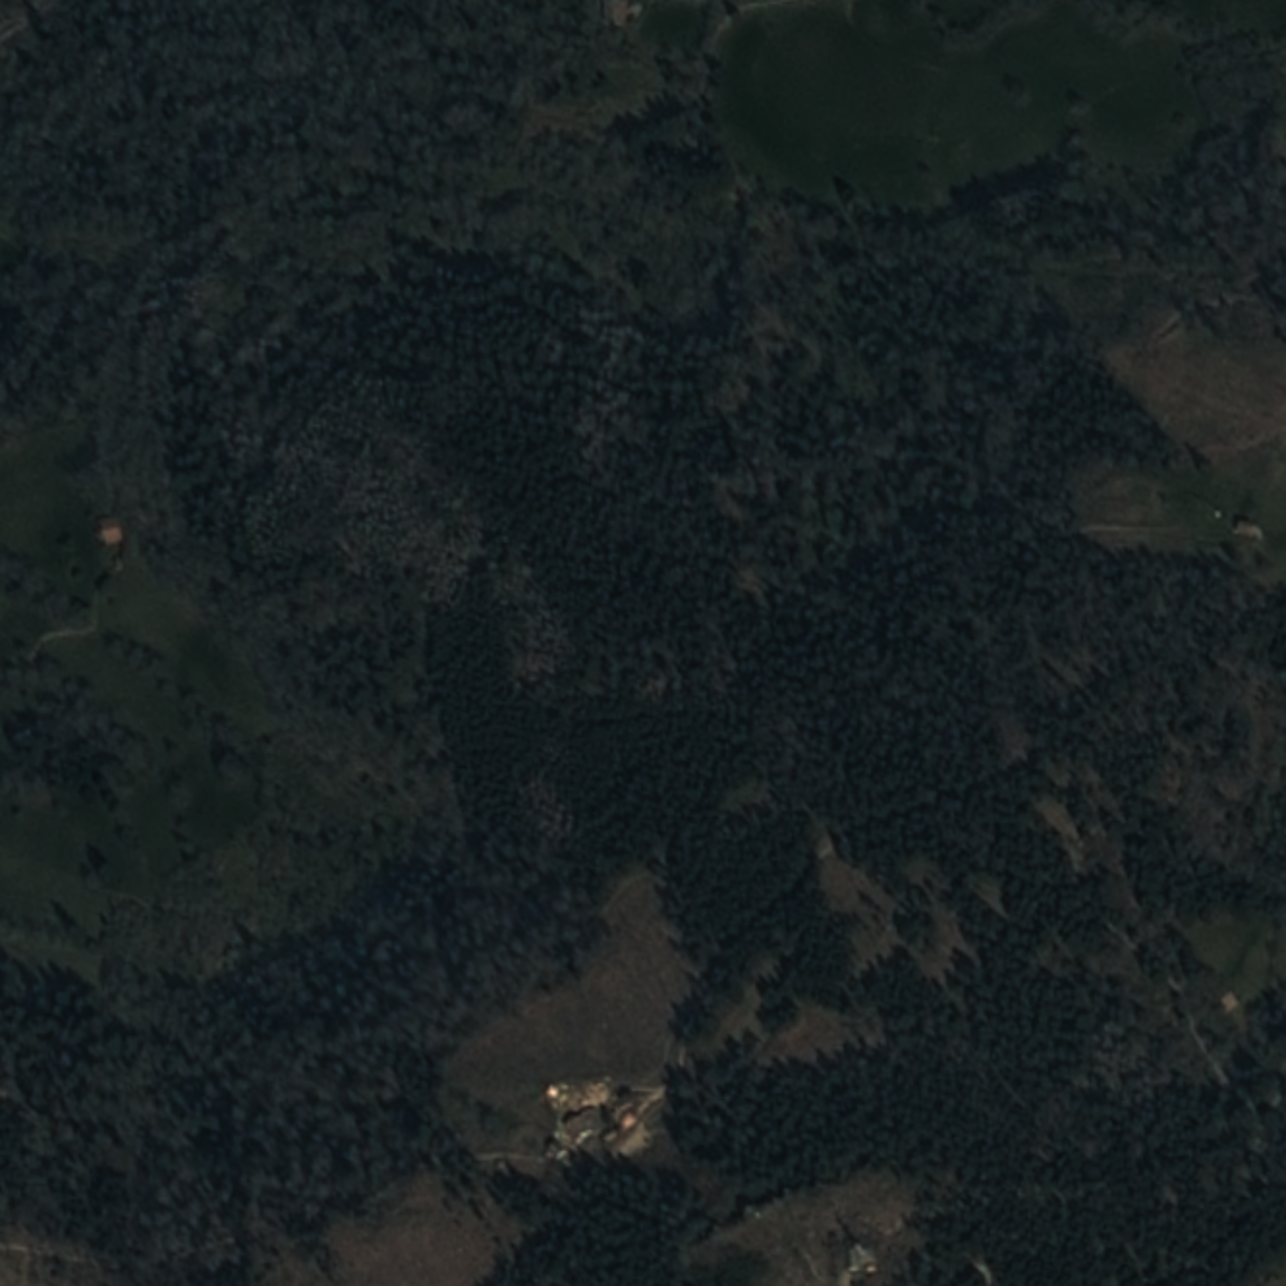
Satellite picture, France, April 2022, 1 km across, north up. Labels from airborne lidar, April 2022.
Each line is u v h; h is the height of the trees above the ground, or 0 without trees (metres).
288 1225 9
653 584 27
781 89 0
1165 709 24
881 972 0
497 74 16
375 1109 12
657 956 0
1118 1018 24
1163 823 27
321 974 26
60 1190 25
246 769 25
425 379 19
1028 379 36
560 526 32
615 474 26
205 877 10
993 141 0
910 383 26
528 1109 0
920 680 32
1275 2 0
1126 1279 23
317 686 19
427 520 21
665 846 19
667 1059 0
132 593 0
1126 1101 16
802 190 0
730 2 0
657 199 18
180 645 0
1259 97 17
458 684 19
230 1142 8
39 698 0
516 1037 0
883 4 0
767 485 31
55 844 0
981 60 0
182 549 8
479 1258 0
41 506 0
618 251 9
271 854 11
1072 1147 22
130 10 23
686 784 21
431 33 22
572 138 7
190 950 9
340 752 22
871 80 0
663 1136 0
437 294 12
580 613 19
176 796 18
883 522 26
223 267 27
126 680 0
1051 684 23
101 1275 18
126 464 6
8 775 15
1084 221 21
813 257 9
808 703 30
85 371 24
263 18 26
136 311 23
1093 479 27
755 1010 0
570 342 27
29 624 0
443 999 29
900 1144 27
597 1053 0
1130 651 26
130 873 0
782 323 32
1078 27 0
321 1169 26
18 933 22
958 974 0
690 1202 17
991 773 23
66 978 0
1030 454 25
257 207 20
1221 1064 10
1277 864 12
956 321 35
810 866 18
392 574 22
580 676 16
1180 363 0
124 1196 14
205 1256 26
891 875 22
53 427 5
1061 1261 24
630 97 0
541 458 28
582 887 16
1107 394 32
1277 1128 23
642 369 24
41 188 7
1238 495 0
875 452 25
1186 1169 27
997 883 17
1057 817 0
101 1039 21
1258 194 36
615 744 18
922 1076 21
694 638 29
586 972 27
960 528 34
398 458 22
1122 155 0
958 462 27
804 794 20
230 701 0
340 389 22
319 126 12
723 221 6
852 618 24
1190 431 0
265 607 18
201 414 12
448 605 18
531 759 25
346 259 7
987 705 21
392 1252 0
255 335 9
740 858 23
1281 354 0
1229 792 32
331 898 7
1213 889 29
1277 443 0
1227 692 22
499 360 23
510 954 30
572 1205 12
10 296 21
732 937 18
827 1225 0
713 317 7
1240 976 0
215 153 16
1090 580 29
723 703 24
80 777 29
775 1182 11
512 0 7
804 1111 26
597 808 21
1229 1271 24
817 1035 0
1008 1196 26
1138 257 27
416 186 7
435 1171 19
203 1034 24
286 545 25
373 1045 34
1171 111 0
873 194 0
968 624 23
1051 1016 35
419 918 22
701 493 23
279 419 19
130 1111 23
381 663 25
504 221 22
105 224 16
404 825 7
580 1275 24
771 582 18
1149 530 0
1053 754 18
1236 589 27
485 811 19
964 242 18
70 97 13
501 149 11
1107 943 17
